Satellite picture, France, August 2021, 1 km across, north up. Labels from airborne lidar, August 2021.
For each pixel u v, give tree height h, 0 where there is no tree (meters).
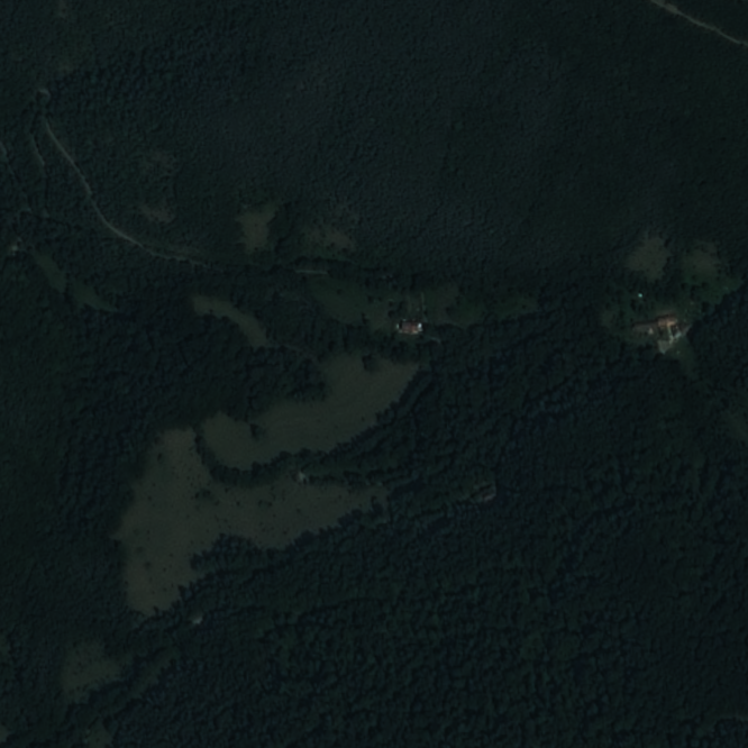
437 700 21
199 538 0
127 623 22
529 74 19
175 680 20
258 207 18
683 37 15
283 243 18
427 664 21
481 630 15
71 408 28
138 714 21
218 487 0
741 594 27
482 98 16
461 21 17
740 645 24
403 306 9
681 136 20
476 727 13
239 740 22
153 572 0
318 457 8
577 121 15
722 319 25
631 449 20
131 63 24
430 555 19
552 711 8
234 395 28
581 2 19
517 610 17
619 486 10
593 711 26
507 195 14
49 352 16
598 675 29
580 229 14
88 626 20
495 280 17
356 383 0
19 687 22
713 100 21
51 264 0
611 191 17
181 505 0
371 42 12
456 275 18
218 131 8
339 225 8
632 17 15
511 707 18
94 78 19
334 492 0
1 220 12
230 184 13
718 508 23
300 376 19
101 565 18
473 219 12
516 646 23
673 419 21
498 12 12
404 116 14
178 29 17
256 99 11
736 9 18
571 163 18
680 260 10
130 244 12
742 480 25
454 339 19
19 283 21
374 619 12
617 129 16
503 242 16
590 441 24
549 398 15
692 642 27
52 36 14
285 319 24
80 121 12
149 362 29
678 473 8
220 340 31
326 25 13
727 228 15
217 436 0
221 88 16
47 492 22
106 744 0
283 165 12
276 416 0
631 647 30
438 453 19
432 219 12
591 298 26
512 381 28
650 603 20
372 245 12
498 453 18
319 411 0
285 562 9
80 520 21
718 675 21
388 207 10
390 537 13
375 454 7
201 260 11
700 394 17
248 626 21
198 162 11
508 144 12
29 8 12
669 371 19
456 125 25
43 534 30
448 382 25
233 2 14
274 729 17
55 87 18
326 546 19
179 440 0
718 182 21
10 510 20
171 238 10
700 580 28
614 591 32
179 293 26
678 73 17
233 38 23
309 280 12
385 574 29
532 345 34
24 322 20
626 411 22
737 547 23
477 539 17
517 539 26
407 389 0
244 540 7
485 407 15
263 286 30
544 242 12
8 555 19
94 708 16
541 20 17
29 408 17
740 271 16
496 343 19
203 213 9
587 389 19
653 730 22
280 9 16
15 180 15
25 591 26
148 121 11
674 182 21
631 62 16
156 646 25
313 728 17
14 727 19
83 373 27
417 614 15
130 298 13
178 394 20
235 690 22
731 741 17
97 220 9
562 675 26
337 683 15
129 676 7
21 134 9
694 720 26
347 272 25
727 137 18
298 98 9
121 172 12
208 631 7
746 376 12
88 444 26
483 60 16
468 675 22
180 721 20
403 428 8
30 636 23
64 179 16
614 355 22
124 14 10
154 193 11
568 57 12
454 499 17
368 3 16
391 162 16
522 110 12
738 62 16
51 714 23
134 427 21
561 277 19
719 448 19
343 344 15
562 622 29
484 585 9
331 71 9
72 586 16
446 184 17
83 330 28
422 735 22
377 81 13
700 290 16
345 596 19
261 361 22
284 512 0
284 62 13
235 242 13
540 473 27
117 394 25
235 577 19
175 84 16
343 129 10
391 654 16
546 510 25
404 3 17
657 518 25
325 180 13
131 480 16
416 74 11
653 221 9
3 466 19
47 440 21
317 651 21
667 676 27
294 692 23
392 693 19
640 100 14
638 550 22
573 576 27
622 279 13
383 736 24
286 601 22
